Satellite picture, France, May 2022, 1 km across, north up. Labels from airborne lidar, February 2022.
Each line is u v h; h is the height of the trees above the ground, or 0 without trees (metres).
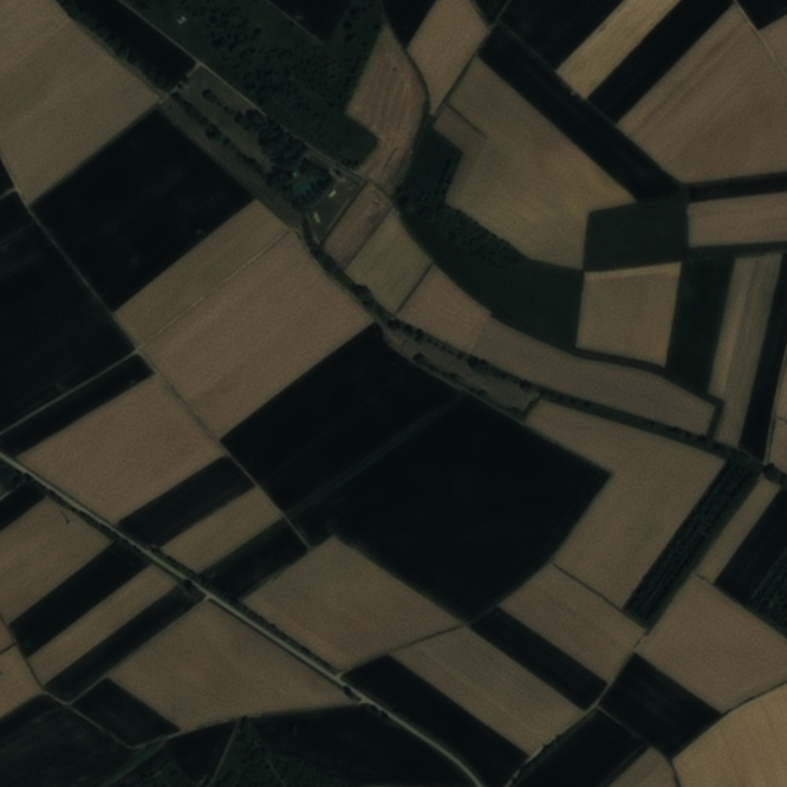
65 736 0
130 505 0
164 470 0
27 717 0
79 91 0
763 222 0
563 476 0
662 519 0
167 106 0
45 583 0
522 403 0
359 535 0
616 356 0
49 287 0
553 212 0
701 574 0
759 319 0
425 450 0
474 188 0
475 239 9
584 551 0
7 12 0
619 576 0
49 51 0
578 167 0
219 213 0
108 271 0
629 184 0
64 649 0
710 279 0
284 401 0
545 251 0
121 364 0
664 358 0
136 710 0
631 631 0
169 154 0
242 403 0
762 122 0
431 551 0
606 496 0
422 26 0
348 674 0
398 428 0
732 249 0
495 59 0
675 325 0
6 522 0
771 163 0
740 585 0
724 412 0
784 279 0
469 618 0
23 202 0
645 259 0
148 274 0
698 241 0
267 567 0
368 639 0
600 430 0
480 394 6
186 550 0
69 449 0
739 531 0
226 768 0
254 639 0
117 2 0
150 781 11
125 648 0
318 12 0
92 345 0
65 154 0
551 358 0
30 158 0
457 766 0
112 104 0
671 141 0
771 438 0
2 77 0
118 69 0
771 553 0
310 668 0
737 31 0
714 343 0
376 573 0
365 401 0
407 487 0
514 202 0
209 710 0
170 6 0
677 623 0
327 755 0
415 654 0
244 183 0
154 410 0
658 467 0
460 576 0
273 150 10
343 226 0
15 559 0
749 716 0
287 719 0
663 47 0
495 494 0
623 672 0
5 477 7
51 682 0
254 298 0
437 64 0
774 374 0
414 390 0
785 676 0
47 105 0
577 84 0
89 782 0
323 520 0
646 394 0
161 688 0
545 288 0
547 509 0
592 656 0
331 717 0
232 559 0
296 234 0
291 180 7
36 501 0
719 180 0
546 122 0
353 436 0
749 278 0
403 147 0
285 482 0
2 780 0
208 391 0
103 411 0
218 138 18
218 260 0
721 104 0
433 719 0
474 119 0
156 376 0
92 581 0
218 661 0
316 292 0
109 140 0
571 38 0
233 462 0
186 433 0
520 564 0
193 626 0
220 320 0
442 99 0
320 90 0
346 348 0
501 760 0
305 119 19
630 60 0
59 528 0
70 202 0
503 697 0
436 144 0
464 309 0
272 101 14
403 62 0
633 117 0
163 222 0
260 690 0
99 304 0
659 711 0
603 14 0
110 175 0
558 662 0
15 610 0
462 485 0
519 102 0
